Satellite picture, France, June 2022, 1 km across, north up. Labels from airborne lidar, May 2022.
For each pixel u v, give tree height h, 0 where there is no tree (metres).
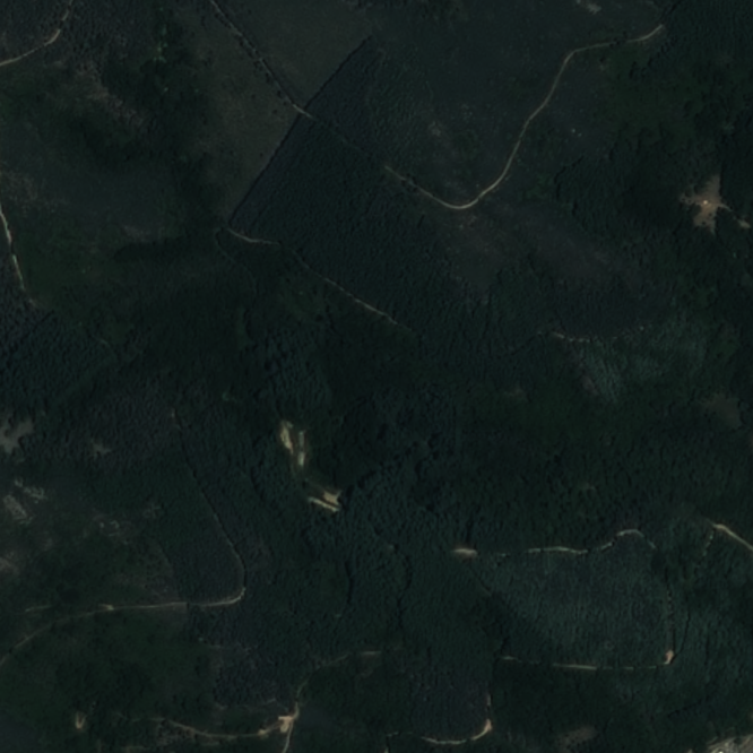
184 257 7
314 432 6
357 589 28
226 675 10
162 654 0
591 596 10
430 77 0
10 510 0
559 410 17
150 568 6
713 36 29
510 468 23
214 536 6
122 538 0
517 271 12
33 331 25
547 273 9
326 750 8
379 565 27
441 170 0
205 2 8
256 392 13
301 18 0
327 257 29
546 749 10
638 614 12
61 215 0
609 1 0
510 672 17
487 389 11
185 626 9
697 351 12
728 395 12
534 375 24
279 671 23
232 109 0
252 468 22
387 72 0
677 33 23
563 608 10
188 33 12
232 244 14
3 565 0
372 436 31
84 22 13
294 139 15
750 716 12
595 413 9
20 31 10
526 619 13
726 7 22
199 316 10
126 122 10
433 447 20
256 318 21
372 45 12
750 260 12
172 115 16
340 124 11
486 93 0
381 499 39
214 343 12
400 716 11
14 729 0
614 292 9
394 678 15
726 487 13
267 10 0
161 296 6
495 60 0
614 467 12
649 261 6
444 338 25
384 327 13
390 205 14
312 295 6
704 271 19
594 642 10
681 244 16
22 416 13
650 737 10
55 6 13
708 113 9
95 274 0
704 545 11
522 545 27
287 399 37
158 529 11
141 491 15
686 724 20
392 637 10
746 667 16
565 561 13
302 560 10
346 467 14
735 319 19
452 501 31
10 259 12
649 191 19
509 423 20
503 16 0
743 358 22
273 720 0
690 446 18
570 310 13
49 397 27
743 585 13
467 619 13
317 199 22
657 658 12
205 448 16
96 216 0
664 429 17
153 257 7
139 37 12
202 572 9
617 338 8
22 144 0
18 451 6
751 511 18
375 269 23
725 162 15
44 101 10
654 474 13
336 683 13
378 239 26
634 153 13
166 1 7
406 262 19
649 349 11
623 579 14
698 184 10
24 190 0
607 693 9
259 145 0
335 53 0
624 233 12
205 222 21
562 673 9
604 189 27
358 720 13
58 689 8
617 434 15
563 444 23
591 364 13
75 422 19
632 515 15
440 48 0
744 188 19
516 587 13
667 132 11
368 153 12
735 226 18
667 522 10
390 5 11
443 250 12
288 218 18
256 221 16
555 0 0
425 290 19
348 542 32
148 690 11
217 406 17
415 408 41
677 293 13
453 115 0
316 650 22
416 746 13
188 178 13
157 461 19
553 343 20
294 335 25
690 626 14
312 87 0
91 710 12
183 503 14
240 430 14
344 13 0
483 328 18
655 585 14
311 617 20
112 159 16
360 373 27
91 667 8
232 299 10
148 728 11
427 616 27
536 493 25
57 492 0
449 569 24
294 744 0
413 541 34
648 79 17
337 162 17
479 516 16
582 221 18
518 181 0
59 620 8
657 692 10
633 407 14
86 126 14
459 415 44
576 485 13
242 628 14
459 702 13
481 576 8
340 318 10
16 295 13
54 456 12
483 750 12
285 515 21
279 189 17
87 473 8
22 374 35
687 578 11
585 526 12
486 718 14
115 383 13
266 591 15
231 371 15
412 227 13
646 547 14
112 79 20
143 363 15
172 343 11
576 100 0
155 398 14
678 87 7
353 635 21
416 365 15
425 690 16
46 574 5
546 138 13
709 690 13
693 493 13
